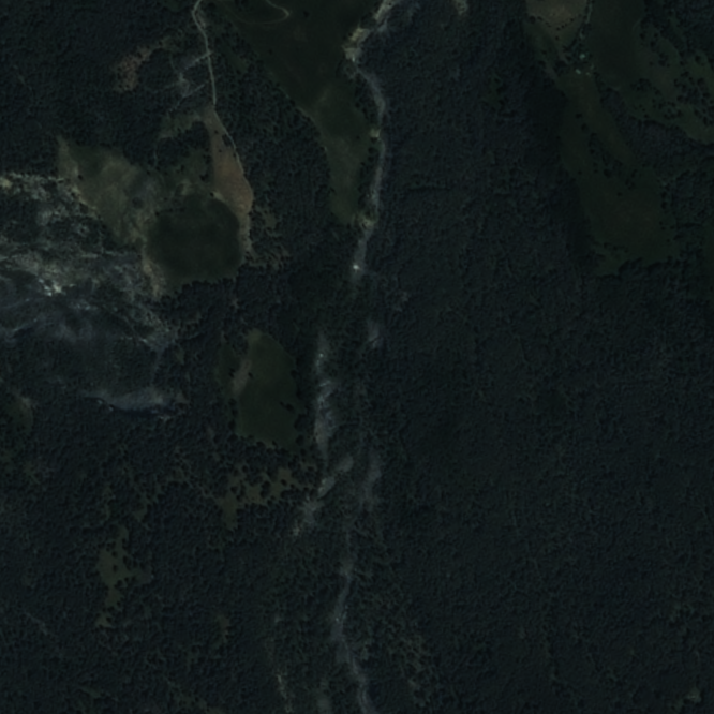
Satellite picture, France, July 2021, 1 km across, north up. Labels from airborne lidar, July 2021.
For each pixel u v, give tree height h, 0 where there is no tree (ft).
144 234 0
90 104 35
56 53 28
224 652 47
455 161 35
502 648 60
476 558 33
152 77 31
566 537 31
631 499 43
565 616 41
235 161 0
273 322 49
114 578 0
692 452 56
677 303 52
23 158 52
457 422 56
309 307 55
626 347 43
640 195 0
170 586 52
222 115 32
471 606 39
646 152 38
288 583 38
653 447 45
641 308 39
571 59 42
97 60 46
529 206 41
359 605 37
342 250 47
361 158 0
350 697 26
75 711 46
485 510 41
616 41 0
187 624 52
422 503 24
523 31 40
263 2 0
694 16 53
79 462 26
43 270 0
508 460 52
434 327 48
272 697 42
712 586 53
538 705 55
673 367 47
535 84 83
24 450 19
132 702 41
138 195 0
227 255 0
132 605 44
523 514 30
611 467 47
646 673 55
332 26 0
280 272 43
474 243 50
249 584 38
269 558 49
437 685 34
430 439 55
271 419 0
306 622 39
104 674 49
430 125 31
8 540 35
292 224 35
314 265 73
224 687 55
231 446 25
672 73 0
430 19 45
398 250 33
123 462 47
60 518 38
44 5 18
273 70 0
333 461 29
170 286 0
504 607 42
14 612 36
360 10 0
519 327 50
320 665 46
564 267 37
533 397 42
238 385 0
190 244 0
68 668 38
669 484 50
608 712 44
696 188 47
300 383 52
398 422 43
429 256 48
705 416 43
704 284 42
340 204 0
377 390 30
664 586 36
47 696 59
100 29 44
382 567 52
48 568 32
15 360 20
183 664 53
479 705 46
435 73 37
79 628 46
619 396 26
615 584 46
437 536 48
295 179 64
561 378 54
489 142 37
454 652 56
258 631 27
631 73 0
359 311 44
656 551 38
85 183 0
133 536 45
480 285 48
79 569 42
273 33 0
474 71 43
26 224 20
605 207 0
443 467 55
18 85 22
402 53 35
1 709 37
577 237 78
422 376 30
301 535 20
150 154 36
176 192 0
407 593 47
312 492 26
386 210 17
